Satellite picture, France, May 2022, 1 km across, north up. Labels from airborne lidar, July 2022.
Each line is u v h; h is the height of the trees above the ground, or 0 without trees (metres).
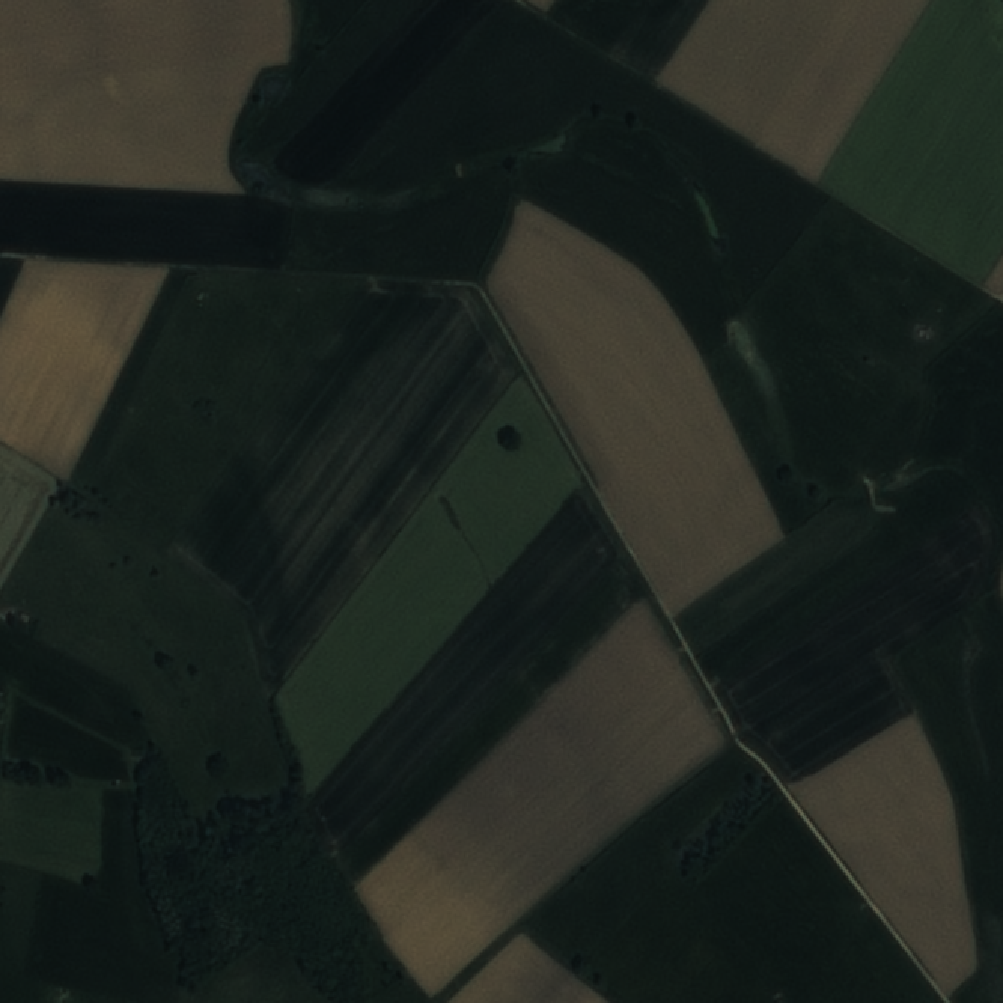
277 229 0
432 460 0
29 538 0
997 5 0
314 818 15
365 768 0
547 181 0
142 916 0
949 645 0
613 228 0
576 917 0
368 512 0
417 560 0
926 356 0
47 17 0
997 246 0
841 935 0
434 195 0
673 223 0
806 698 0
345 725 0
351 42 0
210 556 0
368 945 19
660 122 0
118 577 0
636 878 0
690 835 0
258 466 0
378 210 0
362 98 0
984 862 0
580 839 0
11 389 0
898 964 0
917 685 0
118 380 0
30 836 0
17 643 0
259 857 24
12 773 13
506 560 0
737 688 0
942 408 0
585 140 0
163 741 0
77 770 0
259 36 0
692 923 0
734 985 0
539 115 0
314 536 0
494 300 0
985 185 0
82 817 0
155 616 0
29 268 0
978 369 0
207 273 0
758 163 0
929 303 0
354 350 0
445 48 0
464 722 0
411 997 0
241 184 0
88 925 0
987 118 0
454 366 0
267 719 0
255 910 23
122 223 0
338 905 26
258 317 0
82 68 0
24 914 0
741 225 0
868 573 0
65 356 0
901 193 0
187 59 0
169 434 0
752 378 0
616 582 0
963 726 0
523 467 0
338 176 0
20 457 0
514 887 0
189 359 0
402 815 0
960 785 0
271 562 0
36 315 0
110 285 0
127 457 0
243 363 0
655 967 0
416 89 0
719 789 0
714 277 0
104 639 0
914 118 0
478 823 0
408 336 0
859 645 0
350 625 0
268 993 0
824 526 0
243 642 0
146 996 0
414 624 0
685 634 0
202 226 0
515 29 0
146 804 16
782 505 0
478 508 0
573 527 0
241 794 0
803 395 0
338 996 20
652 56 0
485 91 0
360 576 0
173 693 0
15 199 0
